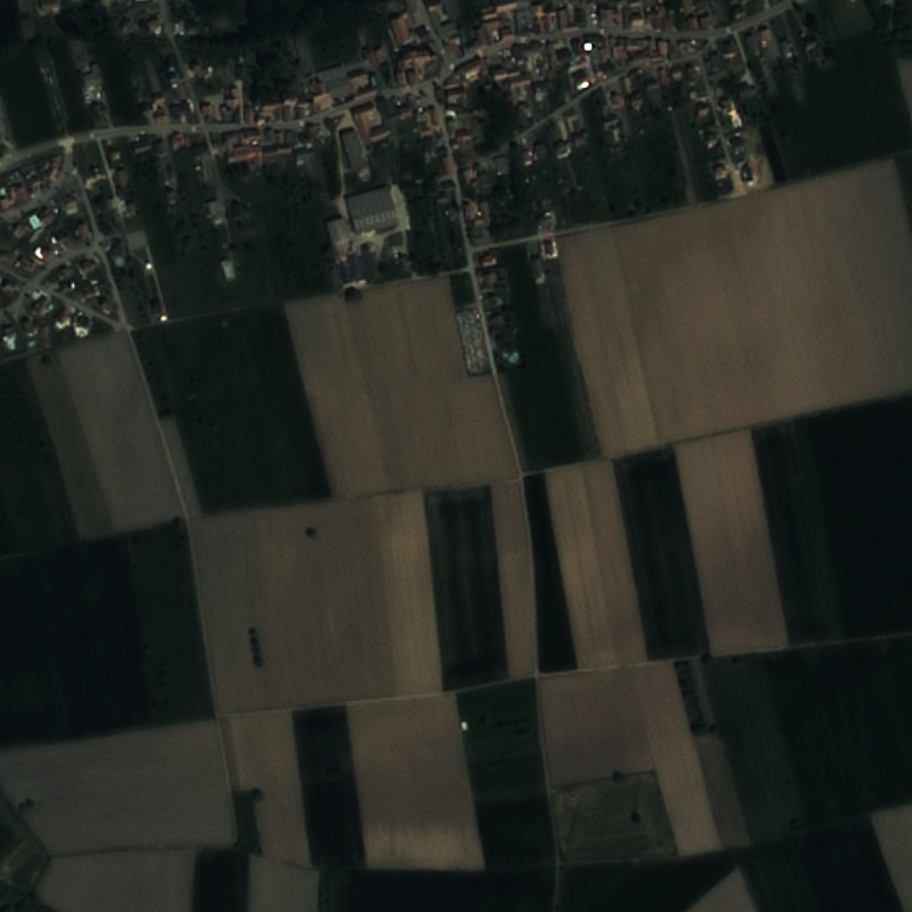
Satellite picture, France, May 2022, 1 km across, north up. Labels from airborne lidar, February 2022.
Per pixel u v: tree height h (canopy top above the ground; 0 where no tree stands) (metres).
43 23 0
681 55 0
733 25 0
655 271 0
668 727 0
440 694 0
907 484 0
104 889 0
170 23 0
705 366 0
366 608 0
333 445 0
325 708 0
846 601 0
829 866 0
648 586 0
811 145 0
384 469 0
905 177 0
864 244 0
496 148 16
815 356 0
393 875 0
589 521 0
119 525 0
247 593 0
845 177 0
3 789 0
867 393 0
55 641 0
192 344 0
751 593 0
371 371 0
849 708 0
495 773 0
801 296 0
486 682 0
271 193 0
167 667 0
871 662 0
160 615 0
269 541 0
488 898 0
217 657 0
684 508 0
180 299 0
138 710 0
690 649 0
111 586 0
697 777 0
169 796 0
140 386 0
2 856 0
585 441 0
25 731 0
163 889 0
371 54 0
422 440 0
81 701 0
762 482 0
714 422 0
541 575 0
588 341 0
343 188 0
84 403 0
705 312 0
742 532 0
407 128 0
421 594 0
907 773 0
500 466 0
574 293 0
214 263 0
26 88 0
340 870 0
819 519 0
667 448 0
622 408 0
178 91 0
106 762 0
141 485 0
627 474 0
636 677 0
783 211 0
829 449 0
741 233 0
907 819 0
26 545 0
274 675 0
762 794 0
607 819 0
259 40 22
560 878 0
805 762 0
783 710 0
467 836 0
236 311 0
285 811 0
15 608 0
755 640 0
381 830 0
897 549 0
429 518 0
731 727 0
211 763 0
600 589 0
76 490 0
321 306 0
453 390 0
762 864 0
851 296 0
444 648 0
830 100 0
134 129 0
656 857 0
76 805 0
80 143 0
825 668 0
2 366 0
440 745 0
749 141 0
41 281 0
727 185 0
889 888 0
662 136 0
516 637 0
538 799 0
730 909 0
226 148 0
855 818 0
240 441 0
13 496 0
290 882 0
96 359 0
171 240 0
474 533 0
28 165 0
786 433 0
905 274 0
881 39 0
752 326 0
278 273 0
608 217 0
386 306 0
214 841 0
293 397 0
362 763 0
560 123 0
